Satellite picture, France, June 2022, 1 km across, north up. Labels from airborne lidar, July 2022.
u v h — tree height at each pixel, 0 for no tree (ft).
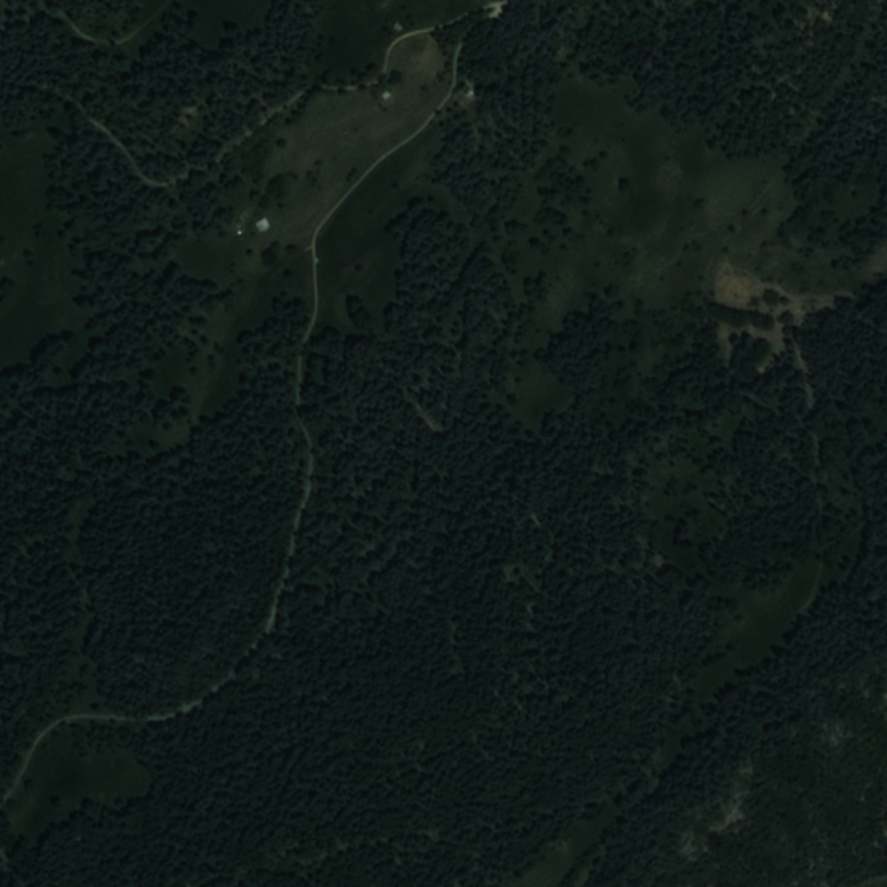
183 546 47
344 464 94
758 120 67
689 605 80
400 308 64
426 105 0
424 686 60
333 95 18
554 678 75
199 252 0
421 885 56
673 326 24
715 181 0
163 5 0
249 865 57
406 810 39
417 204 71
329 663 91
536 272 0
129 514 40
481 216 23
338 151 0
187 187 62
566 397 0
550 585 73
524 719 88
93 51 28
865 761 52
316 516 19
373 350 85
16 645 96
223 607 62
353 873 77
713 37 41
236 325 0
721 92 89
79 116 98
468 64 45
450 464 99
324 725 80
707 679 0
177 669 37
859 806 53
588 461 50
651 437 71
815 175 48
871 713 42
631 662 78
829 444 44
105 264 76
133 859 91
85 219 41
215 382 0
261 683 35
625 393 45
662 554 35
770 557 52
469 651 64
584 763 83
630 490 37
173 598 57
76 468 21
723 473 78
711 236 0
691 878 40
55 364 74
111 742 53
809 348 60
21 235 0
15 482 67
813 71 71
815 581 0
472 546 62
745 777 28
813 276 0
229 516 45
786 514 72
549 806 56
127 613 103
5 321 0
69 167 86
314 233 0
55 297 0
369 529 65
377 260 0
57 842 60
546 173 37
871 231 40
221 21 0
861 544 0
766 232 0
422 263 42
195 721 99
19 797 0
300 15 78
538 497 88
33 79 83
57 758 0
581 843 0
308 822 75
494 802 48
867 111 94
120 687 48
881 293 85
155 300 26
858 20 60
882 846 40
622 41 54
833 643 84
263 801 78
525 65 44
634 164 0
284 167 0
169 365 0
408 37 0
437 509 111
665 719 86
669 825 64
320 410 96
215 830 26
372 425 88
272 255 41
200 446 76
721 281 0
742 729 70
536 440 53
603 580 94
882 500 98
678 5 37
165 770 82
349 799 47
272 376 45
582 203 33
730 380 74
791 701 81
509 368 42
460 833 73
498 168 92
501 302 84
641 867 88
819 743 44
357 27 0
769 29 43
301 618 71
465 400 37
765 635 0
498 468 35
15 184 0
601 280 0
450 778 77
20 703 73
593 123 0
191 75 61
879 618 45
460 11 0
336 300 0
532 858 91
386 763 56
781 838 56
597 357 84
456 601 87
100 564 46
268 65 89
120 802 35
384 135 0
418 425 73
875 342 71
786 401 52
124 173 90
